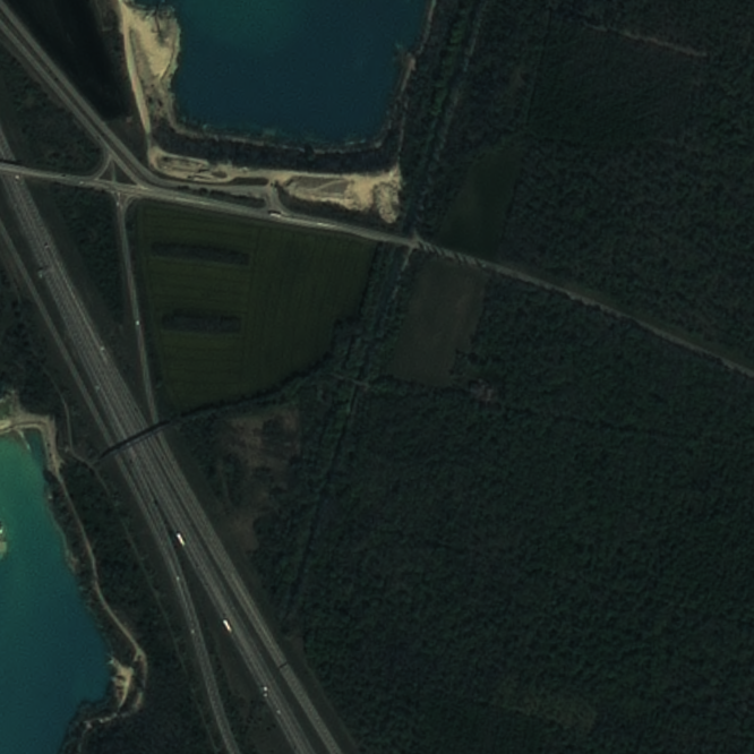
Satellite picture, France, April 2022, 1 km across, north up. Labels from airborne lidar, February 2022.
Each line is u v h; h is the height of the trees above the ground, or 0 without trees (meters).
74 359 0
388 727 14
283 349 0
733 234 16
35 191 0
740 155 17
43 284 0
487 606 13
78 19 0
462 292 0
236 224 0
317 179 0
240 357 0
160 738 20
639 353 19
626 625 10
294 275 0
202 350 0
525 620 13
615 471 18
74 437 0
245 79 0
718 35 9
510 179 0
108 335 0
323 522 16
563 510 19
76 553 17
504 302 12
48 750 0
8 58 6
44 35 0
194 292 0
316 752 0
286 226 0
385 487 17
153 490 0
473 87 20
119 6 0
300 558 6
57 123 10
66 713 0
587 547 15
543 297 16
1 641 0
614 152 13
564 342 17
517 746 8
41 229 0
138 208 0
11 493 0
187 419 8
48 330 0
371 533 16
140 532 0
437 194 11
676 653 18
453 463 12
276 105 0
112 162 0
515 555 14
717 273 17
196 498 0
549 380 16
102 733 9
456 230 0
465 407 14
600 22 10
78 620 0
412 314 0
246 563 0
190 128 0
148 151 0
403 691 12
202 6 0
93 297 0
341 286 0
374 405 15
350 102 0
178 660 14
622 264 20
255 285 0
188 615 0
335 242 0
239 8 0
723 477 15
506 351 11
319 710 0
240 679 0
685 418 17
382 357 8
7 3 0
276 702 0
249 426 0
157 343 0
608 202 17
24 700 0
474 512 12
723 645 19
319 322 0
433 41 10
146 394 0
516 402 12
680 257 18
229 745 0
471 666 11
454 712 7
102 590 6
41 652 0
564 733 15
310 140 0
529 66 13
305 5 0
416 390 13
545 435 17
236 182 0
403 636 11
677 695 8
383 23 0
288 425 0
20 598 0
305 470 16
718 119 15
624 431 19
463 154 14
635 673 21
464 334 0
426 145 12
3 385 17
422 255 13
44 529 0
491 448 17
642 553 15
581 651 13
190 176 0
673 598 13
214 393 0
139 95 0
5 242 0
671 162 15
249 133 0
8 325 0
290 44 0
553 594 14
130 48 0
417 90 12
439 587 11
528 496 17
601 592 16
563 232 16
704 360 15
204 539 0
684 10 8
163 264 0
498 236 0
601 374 16
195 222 0
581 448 16
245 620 0
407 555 17
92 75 0
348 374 17
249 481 0
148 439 0
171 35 0
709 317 17
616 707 14
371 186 0
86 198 8
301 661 0
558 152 12
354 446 17
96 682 0
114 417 0
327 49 0
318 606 16
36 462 0
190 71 0
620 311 0
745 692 16
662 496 19
